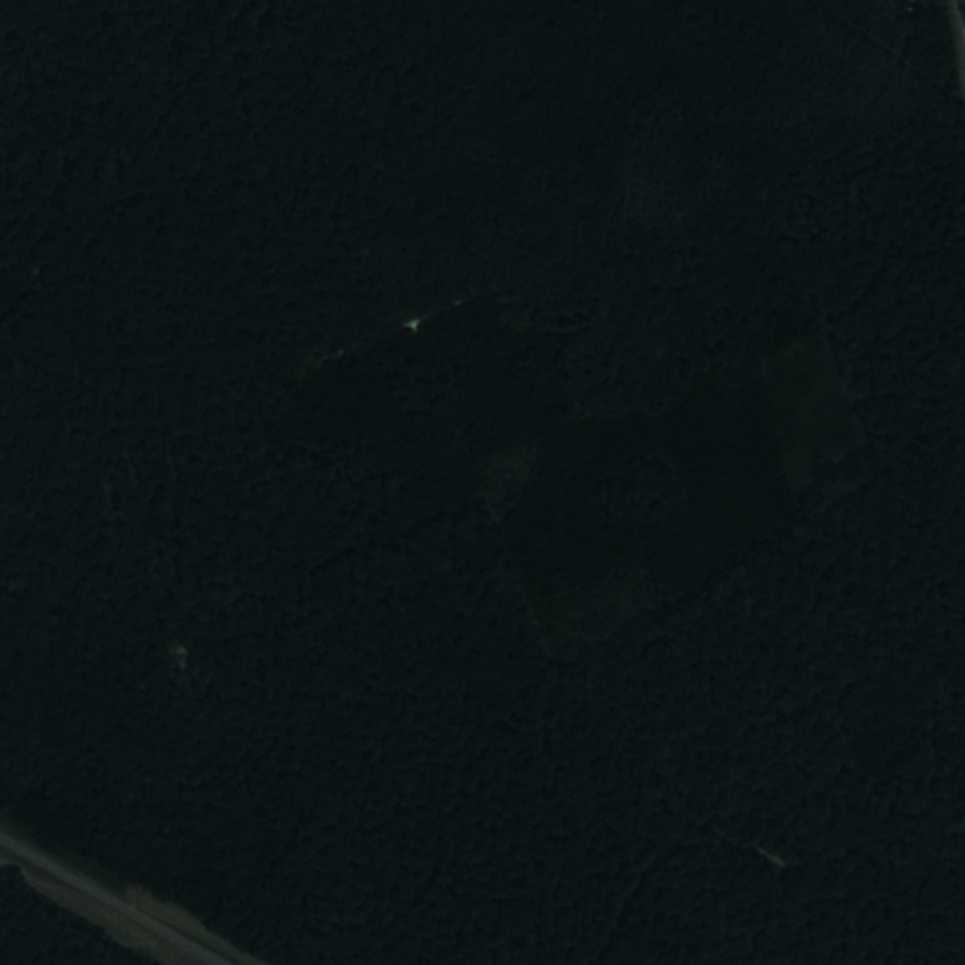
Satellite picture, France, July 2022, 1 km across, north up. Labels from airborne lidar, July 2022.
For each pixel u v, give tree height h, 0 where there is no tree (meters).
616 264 24
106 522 26
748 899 24
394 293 23
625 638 21
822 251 27
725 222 21
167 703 26
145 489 25
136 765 24
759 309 27
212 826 18
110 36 28
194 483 23
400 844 26
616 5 24
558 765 25
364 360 17
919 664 21
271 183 24
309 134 28
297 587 26
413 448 12
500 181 22
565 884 27
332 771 24
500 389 9
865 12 25
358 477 21
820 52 21
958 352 21
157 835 27
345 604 25
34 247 26
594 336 24
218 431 22
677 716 28
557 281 23
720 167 18
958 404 12
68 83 29
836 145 17
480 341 12
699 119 23
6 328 10
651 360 27
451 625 23
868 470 24
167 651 29
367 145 27
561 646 0
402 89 28
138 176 28
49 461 27
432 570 26
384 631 21
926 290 26
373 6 27
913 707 24
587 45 26
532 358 14
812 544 26
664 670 23
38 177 29
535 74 23
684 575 9
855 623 24
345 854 25
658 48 22
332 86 26
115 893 0
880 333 23
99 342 21
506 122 25
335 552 11
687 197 22
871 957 26
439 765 27
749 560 17
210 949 0
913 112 16
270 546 28
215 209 29
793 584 26
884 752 12
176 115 25
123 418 27
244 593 28
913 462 28
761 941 26
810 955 30
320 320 27
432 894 27
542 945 26
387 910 26
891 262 25
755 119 20
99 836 18
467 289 21
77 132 30
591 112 24
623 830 25
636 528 7
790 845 23
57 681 27
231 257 26
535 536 6
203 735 24
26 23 25
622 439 7
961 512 29
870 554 24
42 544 26
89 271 18
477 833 22
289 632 28
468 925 25
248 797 23
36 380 18
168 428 29
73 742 25
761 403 7
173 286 23
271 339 26
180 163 32
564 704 27
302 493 29
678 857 23
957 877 26
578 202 23
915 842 23
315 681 26
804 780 23
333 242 25
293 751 19
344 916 26
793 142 18
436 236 25
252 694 25
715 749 29
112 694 26
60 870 0
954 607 24
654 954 27
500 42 21
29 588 27
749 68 21
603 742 28
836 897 30
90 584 26
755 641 22
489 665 26
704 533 7
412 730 24
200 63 19
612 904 28
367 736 26
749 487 7
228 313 27
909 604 26
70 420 17
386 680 26
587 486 7
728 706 27
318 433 12
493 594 28
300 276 26
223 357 23
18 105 17
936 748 20
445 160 24
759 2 21
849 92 17
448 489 12
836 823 28
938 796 24
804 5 22
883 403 26
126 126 25
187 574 29
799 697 25
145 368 23
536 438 7
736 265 26
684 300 26
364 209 26
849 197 22
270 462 24
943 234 19
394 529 12
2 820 0
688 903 21
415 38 31
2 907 18
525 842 24
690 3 23
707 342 17
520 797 27
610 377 28
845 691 25
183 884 16
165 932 0
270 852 13
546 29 24
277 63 27
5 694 27
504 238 20
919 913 29
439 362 10
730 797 24
